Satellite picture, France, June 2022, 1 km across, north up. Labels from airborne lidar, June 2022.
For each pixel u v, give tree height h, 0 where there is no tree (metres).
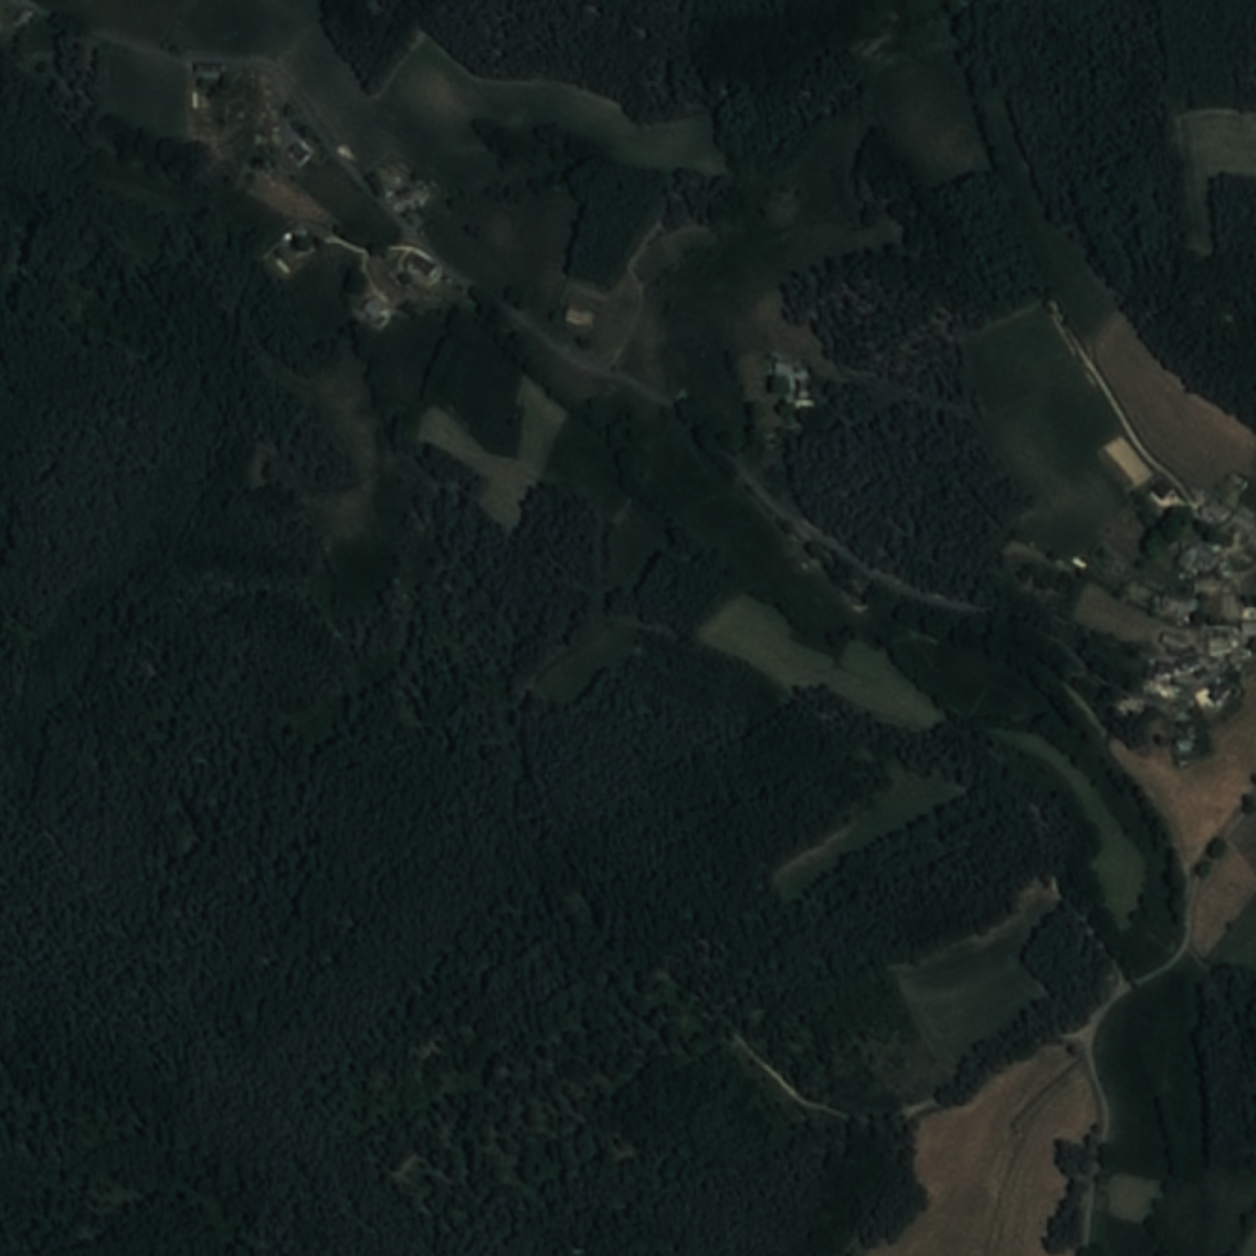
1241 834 0
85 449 19
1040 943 17
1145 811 9
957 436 15
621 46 20
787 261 0
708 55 19
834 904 24
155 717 9
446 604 12
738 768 25
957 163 0
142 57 0
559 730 18
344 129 0
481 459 0
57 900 20
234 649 25
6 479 27
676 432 0
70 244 28
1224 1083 23
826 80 22
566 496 11
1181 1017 0
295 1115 16
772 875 16
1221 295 15
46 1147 27
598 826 19
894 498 19
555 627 22
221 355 17
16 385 29
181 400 21
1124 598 6
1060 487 0
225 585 9
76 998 18
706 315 0
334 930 23
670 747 18
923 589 16
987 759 18
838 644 12
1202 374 16
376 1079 14
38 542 18
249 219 0
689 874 16
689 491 0
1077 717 22
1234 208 20
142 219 19
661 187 24
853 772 13
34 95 19
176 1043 19
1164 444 0
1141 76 12
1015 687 0
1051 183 16
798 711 18
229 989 22
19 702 21
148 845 18
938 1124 0
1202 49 24
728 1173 20
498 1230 20
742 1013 16
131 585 14
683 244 0
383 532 0
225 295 16
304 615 25
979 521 16
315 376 8
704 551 26
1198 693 0
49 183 18
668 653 13
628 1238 26
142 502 16
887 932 19
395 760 26
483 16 21
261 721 25
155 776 20
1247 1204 0
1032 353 0
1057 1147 0
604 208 23
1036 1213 0
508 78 10
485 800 27
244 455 15
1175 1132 11
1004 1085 0
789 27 22
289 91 0
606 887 16
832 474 16
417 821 20
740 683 14
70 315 31
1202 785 0
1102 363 0
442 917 21
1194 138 0
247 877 26
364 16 15
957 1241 0
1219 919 0
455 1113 15
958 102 0
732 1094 22
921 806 0
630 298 0
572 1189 21
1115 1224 0
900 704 0
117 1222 20
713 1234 18
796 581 0
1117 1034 0
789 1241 18
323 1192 15
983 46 19
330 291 0
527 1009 11
